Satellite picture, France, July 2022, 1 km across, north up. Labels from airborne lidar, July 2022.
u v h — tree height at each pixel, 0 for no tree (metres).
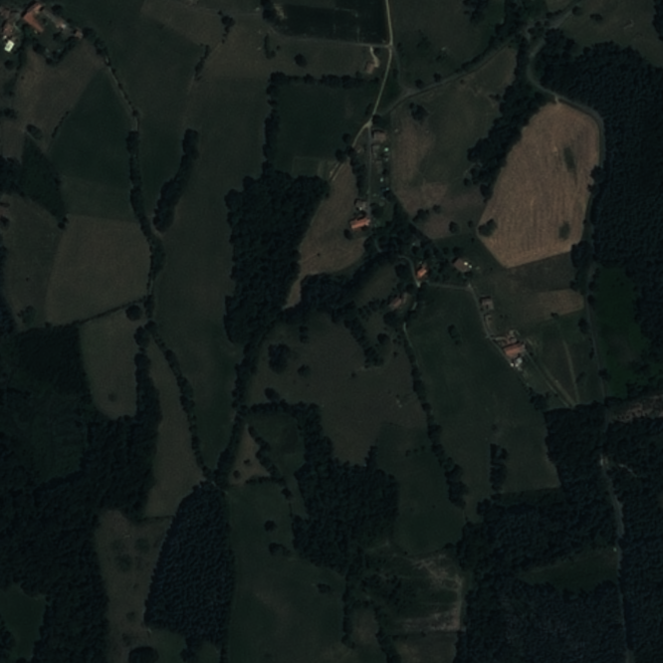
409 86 0
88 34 18
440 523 0
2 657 20
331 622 0
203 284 0
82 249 0
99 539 0
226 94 0
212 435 0
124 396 0
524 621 32
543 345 0
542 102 18
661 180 11
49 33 0
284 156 0
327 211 0
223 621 15
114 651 0
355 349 0
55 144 0
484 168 6
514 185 0
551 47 6
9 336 12
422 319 0
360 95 0
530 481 0
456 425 0
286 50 0
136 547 0
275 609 0
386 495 19
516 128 8
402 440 0
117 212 0
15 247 0
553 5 0
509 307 0
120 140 0
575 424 23
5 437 22
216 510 17
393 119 0
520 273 0
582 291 7
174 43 0
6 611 0
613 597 29
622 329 0
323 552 15
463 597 0
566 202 0
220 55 0
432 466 0
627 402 7
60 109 0
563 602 33
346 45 0
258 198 26
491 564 20
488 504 19
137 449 21
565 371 0
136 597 0
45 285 0
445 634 0
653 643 28
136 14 0
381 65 0
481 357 0
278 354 20
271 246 14
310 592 0
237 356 0
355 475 18
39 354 8
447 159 0
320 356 0
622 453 20
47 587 18
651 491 22
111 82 0
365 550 6
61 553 21
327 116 0
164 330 0
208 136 0
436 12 0
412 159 0
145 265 0
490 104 0
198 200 0
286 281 21
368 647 0
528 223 0
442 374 0
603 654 32
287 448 0
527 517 39
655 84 20
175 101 0
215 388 0
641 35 0
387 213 0
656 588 18
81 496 23
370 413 0
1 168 23
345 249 0
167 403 0
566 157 0
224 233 0
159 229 14
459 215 0
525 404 0
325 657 0
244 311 22
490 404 0
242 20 0
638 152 20
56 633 21
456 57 0
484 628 24
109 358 0
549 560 25
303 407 18
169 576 23
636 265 22
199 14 0
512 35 16
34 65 0
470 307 0
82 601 11
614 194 23
